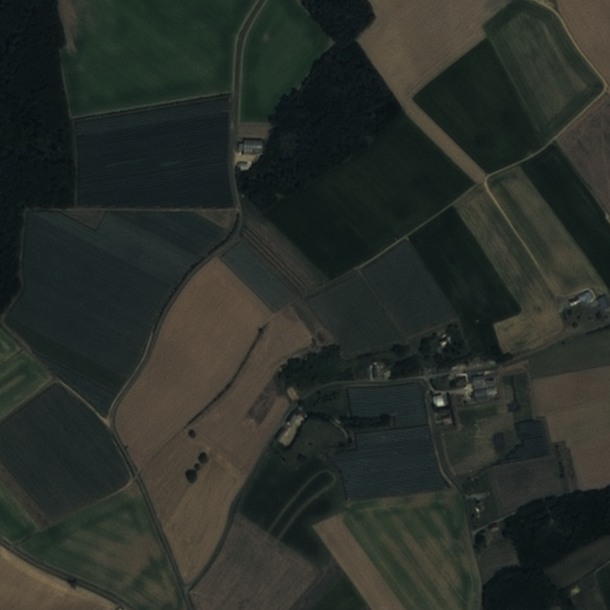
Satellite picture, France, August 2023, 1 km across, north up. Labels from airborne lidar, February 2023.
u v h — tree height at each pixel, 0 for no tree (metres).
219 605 0
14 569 0
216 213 0
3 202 15
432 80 0
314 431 0
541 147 0
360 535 0
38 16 22
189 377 0
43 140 22
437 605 0
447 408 6
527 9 0
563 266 0
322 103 8
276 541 0
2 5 15
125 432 0
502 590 16
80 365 0
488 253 0
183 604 0
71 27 0
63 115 19
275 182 11
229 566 0
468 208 0
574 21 0
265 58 0
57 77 12
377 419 6
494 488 0
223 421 0
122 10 0
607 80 0
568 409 0
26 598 0
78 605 0
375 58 0
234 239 0
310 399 0
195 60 0
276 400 0
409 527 0
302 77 0
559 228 0
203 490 0
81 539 0
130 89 0
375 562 0
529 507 11
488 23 0
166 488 0
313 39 0
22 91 15
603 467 0
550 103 0
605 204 0
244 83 0
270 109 0
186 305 0
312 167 15
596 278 0
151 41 0
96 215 0
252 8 0
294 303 0
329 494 0
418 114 0
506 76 0
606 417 0
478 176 0
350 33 14
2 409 0
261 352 0
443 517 0
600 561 0
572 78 0
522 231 0
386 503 0
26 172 20
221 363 0
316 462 0
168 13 0
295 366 8
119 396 0
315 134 20
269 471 0
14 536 0
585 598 0
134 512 0
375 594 0
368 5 13
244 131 0
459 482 0
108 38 0
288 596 0
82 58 0
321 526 0
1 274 21
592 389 0
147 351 0
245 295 0
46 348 0
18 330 0
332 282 0
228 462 0
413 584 0
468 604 0
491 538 0
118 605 0
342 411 0
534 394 0
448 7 0
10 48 23
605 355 0
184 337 0
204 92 0
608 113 0
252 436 0
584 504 13
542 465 0
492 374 0
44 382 0
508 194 0
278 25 0
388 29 0
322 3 14
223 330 0
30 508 0
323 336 0
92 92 0
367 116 22
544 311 0
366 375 0
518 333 0
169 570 0
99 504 0
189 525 0
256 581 0
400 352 10
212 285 0
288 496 0
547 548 0
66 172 15
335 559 0
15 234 14
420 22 0
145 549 0
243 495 0
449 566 0
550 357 0
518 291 0
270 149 7
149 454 0
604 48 0
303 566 0
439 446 0
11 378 0
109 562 0
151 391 0
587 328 0
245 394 0
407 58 0
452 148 0
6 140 7
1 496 0
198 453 0
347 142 15
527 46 0
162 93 0
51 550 0
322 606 0
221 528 0
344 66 18
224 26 0
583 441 0
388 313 0
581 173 0
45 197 20
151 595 0
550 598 19
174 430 0
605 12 0
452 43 0
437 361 9
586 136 0
